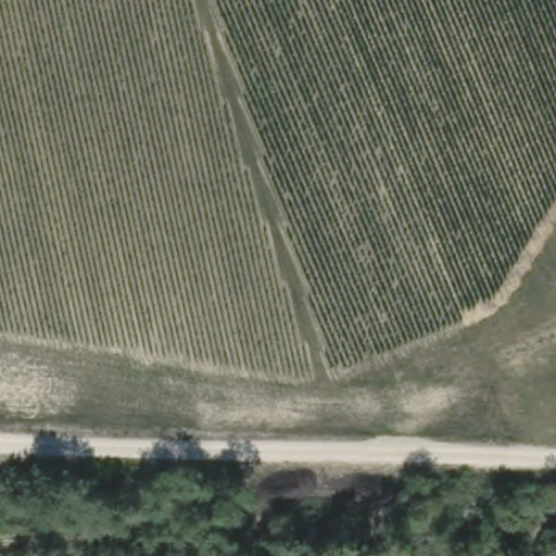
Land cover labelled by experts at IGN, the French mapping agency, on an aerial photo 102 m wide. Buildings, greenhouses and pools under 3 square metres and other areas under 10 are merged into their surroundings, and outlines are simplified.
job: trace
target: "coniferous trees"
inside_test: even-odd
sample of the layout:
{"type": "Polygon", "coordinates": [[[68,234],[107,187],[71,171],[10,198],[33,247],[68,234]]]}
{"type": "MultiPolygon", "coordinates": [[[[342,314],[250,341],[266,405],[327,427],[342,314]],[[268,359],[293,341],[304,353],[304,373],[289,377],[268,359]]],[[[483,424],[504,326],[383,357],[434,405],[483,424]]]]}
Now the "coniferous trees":
{"type": "Polygon", "coordinates": [[[330,547],[321,554],[315,552],[311,545],[302,543],[289,549],[278,543],[258,541],[258,545],[267,549],[271,556],[376,556],[376,554],[367,545],[358,545],[356,549],[330,547]]]}
{"type": "Polygon", "coordinates": [[[30,450],[24,456],[7,456],[4,460],[0,458],[0,556],[235,556],[237,543],[230,543],[226,536],[232,528],[241,526],[243,517],[250,513],[235,500],[235,495],[241,491],[245,476],[252,473],[252,465],[248,460],[237,460],[235,452],[226,450],[219,456],[204,454],[200,460],[172,456],[165,465],[159,467],[154,467],[154,463],[148,456],[111,458],[93,456],[93,452],[89,456],[67,458],[41,456],[35,450],[30,450]]]}

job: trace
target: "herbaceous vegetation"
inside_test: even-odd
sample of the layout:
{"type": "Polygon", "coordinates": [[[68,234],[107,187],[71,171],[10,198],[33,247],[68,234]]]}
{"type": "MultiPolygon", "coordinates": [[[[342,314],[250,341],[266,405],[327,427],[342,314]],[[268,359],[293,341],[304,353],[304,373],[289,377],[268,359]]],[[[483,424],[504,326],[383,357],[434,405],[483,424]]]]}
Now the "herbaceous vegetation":
{"type": "Polygon", "coordinates": [[[258,541],[278,543],[289,549],[302,543],[311,545],[315,552],[321,554],[330,547],[356,549],[358,545],[367,545],[376,554],[384,554],[395,545],[404,547],[408,543],[408,519],[421,519],[426,515],[426,506],[421,502],[439,500],[443,493],[454,491],[460,473],[454,467],[434,465],[432,460],[406,460],[402,467],[387,476],[358,471],[350,463],[315,463],[313,467],[282,467],[276,463],[263,463],[258,458],[258,452],[252,447],[254,441],[365,441],[376,437],[421,437],[445,443],[556,447],[556,226],[547,237],[543,250],[536,254],[530,271],[526,271],[519,289],[495,315],[484,317],[471,326],[465,326],[465,321],[460,319],[430,334],[406,341],[400,348],[376,354],[363,354],[363,361],[345,367],[354,389],[348,389],[341,397],[291,395],[285,400],[274,400],[267,395],[265,382],[278,382],[278,371],[265,371],[267,380],[211,376],[172,365],[141,365],[139,361],[119,354],[54,350],[28,343],[0,341],[0,432],[30,434],[33,439],[39,432],[54,432],[61,441],[78,441],[87,447],[93,437],[163,439],[174,443],[185,443],[191,439],[195,439],[198,443],[226,441],[226,450],[235,452],[237,460],[248,460],[252,465],[252,473],[245,476],[241,491],[235,495],[235,500],[250,513],[243,517],[241,526],[232,528],[226,536],[230,543],[237,543],[235,556],[271,556],[267,549],[258,545],[258,541]]]}

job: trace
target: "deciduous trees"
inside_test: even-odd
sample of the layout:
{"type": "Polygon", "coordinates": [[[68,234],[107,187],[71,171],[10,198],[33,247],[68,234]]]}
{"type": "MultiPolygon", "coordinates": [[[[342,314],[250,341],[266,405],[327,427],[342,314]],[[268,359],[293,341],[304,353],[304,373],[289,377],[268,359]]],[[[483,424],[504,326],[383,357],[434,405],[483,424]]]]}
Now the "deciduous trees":
{"type": "Polygon", "coordinates": [[[421,519],[408,519],[408,543],[404,547],[395,545],[384,554],[376,554],[376,556],[556,556],[556,469],[473,469],[467,465],[454,467],[460,473],[454,491],[443,493],[439,500],[421,502],[426,506],[426,515],[421,519]]]}

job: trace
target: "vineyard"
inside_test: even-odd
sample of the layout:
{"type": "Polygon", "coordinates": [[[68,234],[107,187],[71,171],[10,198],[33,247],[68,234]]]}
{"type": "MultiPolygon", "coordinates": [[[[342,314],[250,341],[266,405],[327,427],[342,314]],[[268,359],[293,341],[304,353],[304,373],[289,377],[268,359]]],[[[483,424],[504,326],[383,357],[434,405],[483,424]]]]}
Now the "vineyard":
{"type": "Polygon", "coordinates": [[[406,341],[430,334],[460,319],[465,321],[465,326],[471,326],[484,317],[495,315],[519,289],[526,271],[530,271],[536,254],[543,250],[547,237],[556,226],[556,0],[0,0],[0,341],[28,343],[54,350],[119,354],[139,361],[141,365],[172,365],[211,376],[267,380],[265,371],[278,371],[278,382],[265,382],[267,395],[274,400],[285,400],[291,395],[341,397],[348,389],[354,389],[345,367],[363,361],[363,354],[376,354],[400,348],[406,341]]]}

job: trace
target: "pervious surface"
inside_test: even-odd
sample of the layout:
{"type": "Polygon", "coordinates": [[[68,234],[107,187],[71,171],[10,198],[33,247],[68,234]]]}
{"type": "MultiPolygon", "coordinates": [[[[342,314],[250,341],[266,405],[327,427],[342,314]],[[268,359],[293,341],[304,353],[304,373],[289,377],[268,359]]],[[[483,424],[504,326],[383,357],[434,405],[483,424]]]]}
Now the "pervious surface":
{"type": "Polygon", "coordinates": [[[263,463],[276,463],[282,467],[313,467],[315,463],[350,463],[358,471],[387,476],[402,467],[406,460],[432,460],[434,465],[454,467],[467,465],[473,469],[556,469],[556,447],[445,443],[421,437],[376,437],[365,441],[254,441],[252,447],[258,452],[258,458],[263,463]]]}
{"type": "Polygon", "coordinates": [[[219,456],[226,450],[226,441],[198,443],[195,439],[191,439],[185,443],[174,443],[163,439],[93,437],[87,447],[78,441],[61,441],[54,432],[39,432],[33,439],[30,434],[0,432],[0,458],[4,460],[7,456],[24,456],[30,450],[35,450],[41,456],[67,458],[89,456],[93,452],[93,456],[111,458],[148,456],[154,463],[154,467],[159,467],[165,465],[172,456],[200,460],[204,454],[219,456]]]}

